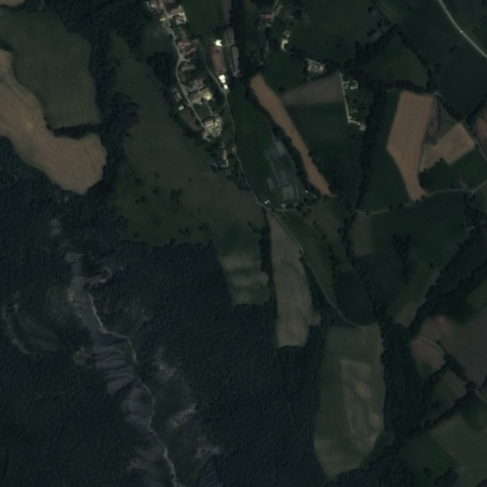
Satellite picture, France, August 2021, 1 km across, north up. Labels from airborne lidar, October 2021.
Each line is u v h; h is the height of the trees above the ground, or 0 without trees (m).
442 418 12
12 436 18
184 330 13
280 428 12
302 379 10
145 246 15
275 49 15
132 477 9
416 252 0
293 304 0
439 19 0
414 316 0
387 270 0
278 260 0
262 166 0
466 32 0
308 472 14
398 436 18
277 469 12
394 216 0
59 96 0
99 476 10
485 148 0
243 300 0
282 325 0
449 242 0
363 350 0
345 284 0
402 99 0
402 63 0
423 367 0
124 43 0
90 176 0
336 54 0
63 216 18
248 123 0
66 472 11
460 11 0
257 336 13
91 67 11
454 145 0
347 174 0
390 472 22
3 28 0
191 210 0
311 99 0
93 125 7
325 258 0
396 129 0
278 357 9
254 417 12
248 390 11
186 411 0
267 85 0
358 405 0
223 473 19
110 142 16
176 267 11
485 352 0
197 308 13
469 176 0
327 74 9
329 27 0
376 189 0
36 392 10
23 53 0
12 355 10
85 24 17
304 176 19
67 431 16
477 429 0
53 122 0
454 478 11
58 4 18
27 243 10
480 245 0
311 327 11
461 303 0
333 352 0
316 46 0
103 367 0
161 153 0
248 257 0
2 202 16
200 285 13
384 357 20
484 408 0
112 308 10
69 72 0
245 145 0
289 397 11
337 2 0
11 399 8
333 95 0
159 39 0
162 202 0
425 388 16
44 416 11
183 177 0
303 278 0
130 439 18
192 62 13
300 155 16
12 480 17
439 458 0
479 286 0
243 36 18
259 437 14
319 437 0
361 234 0
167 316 9
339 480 10
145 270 7
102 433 18
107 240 11
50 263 9
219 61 0
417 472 0
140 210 0
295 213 0
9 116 0
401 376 11
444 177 0
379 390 0
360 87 11
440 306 21
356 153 0
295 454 8
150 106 0
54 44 0
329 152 0
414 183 0
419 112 0
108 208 14
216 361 10
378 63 0
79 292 0
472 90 0
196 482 8
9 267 12
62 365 18
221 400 12
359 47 18
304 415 5
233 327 16
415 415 14
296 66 0
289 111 0
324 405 0
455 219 0
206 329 10
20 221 17
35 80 0
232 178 15
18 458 14
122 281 12
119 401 18
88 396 16
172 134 0
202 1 0
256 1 19
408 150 0
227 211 0
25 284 16
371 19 0
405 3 0
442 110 0
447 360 15
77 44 0
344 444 0
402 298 0
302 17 25
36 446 14
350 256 18
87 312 0
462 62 0
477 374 0
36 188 19
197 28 0
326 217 0
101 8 19
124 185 0
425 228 0
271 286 10
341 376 0
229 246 0
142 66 0
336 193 16
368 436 0
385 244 0
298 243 0
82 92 0
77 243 9
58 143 0
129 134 12
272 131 0
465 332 0
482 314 0
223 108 7
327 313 9
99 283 9
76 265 0
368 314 0
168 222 0
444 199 0
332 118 0
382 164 0
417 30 0
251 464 13
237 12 16
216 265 14
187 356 12
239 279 0
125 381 0
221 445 6
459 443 0
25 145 0
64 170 0
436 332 0
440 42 0
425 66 8
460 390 0
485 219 12
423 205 0
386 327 19
